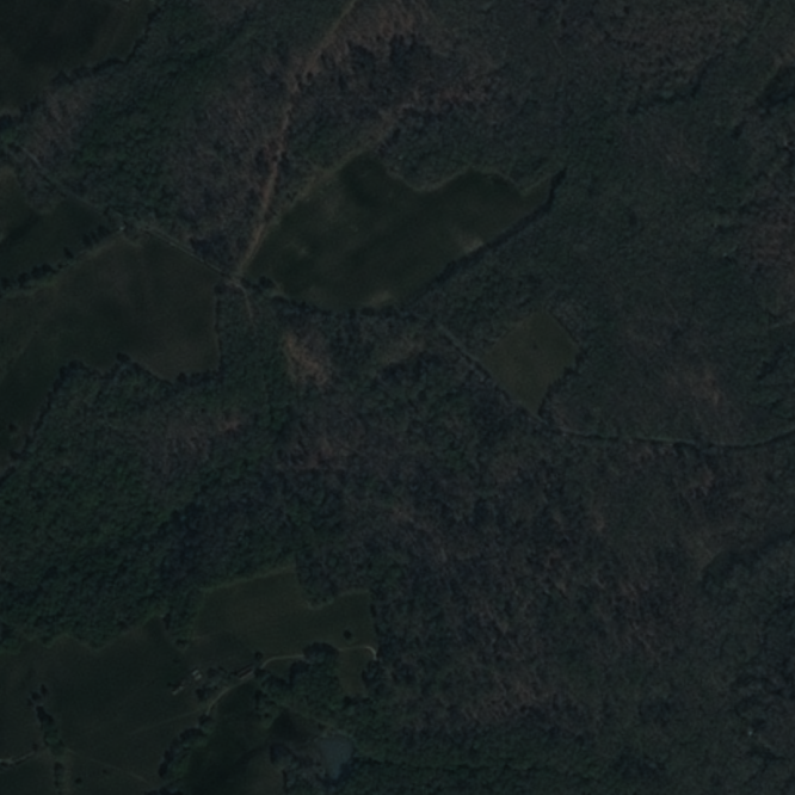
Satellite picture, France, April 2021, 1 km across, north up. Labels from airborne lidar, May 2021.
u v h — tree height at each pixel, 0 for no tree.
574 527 24
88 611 22
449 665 23
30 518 14
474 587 24
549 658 17
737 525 14
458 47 16
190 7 16
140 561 27
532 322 0
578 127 21
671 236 20
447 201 0
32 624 20
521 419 18
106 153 25
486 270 24
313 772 23
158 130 20
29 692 0
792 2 17
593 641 19
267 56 15
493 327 18
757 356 19
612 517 17
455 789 26
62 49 0
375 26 15
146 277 0
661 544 18
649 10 14
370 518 14
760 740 22
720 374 18
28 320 0
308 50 18
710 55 16
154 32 17
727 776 24
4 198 0
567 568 18
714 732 20
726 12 17
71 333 0
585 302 18
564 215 20
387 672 20
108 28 0
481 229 0
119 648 0
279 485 17
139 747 0
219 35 21
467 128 26
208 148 19
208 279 0
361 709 20
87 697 0
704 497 18
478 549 13
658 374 20
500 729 17
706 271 20
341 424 19
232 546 20
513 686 13
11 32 0
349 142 23
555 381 0
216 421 15
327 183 0
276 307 19
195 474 25
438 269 0
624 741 15
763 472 11
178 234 16
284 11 22
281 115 23
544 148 20
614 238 23
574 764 25
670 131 19
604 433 15
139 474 21
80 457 17
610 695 22
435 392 23
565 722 28
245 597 0
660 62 6
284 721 0
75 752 0
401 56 24
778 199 14
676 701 22
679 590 16
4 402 0
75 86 16
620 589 25
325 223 0
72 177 18
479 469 18
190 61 19
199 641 0
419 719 14
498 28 19
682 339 22
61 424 16
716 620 25
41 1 0
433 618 12
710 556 12
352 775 15
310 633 0
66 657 0
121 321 0
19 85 0
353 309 0
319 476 15
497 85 11
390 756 23
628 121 18
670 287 21
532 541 27
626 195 23
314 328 16
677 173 18
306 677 21
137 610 23
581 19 6
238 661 0
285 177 19
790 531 11
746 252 15
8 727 0
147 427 18
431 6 17
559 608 21
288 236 0
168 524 15
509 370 0
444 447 25
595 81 21
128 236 14
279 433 21
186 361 0
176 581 28
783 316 8
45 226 0
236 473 28
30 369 0
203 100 19
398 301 0
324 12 21
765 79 20
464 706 14
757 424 20
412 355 9
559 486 24
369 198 0
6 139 18
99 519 17
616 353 20
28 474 12
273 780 0
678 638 22
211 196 13
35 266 0
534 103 18
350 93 22
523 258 24
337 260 0
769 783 21
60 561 19
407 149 24
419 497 19
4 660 0
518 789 17
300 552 16
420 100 9
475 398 21
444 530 11
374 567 19
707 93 19
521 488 21
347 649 0
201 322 0
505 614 20
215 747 0
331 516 22
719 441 15
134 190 22
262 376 22
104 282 0
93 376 17
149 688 0
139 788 0
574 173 19
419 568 23
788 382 21
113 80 21
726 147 19
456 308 19
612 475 26
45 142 14
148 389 14
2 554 11
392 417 22
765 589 24
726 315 21
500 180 0
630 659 17
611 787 24
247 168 10
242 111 15
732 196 19
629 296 19
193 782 0
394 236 0
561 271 17
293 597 0
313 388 20
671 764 26
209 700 16
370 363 24
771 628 19
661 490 20
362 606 0
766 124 26
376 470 15
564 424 15
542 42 19
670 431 17
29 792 0
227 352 16
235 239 15
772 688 19
